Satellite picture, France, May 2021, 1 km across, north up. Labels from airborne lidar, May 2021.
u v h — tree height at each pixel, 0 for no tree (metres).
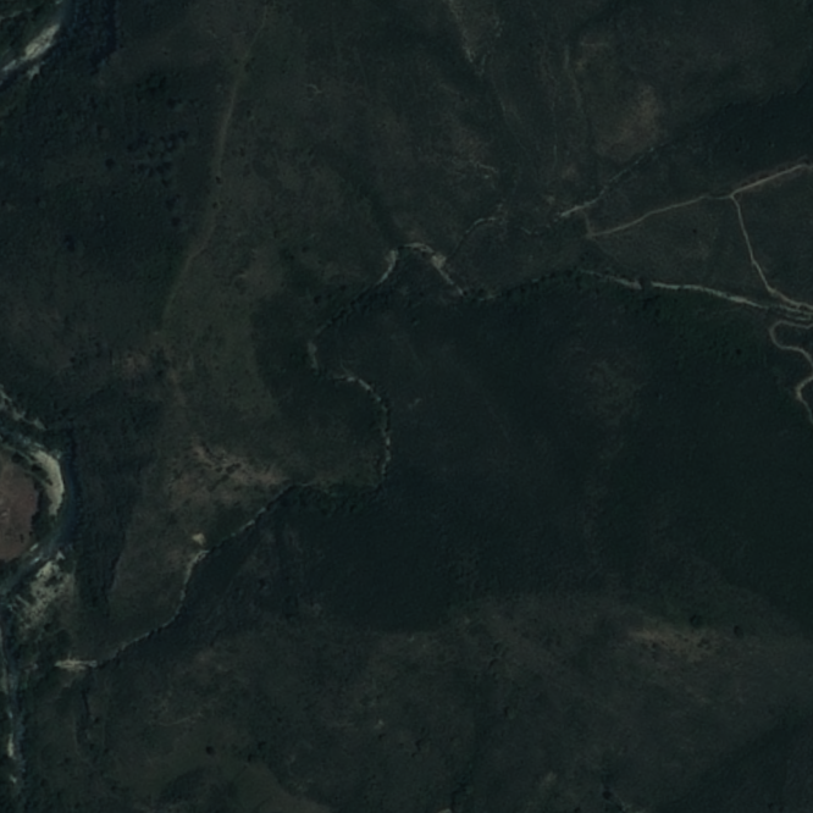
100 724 10
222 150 0
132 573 0
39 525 21
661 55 0
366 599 6
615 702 0
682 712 0
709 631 0
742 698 0
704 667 0
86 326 0
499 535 6
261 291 0
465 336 5
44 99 6
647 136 0
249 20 0
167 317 0
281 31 0
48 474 17
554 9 0
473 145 0
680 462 6
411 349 0
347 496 10
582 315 6
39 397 6
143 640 7
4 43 15
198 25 0
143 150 22
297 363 6
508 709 10
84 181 6
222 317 0
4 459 0
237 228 0
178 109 16
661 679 0
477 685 5
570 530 0
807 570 6
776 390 7
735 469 6
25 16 8
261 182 0
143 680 0
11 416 25
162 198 5
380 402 7
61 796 10
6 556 0
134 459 6
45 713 0
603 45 0
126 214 6
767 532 5
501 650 10
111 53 17
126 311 0
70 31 19
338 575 6
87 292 0
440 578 6
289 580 10
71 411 9
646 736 0
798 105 5
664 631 0
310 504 30
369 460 7
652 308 14
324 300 25
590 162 0
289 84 0
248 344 0
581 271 7
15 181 7
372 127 0
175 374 0
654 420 6
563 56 0
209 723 0
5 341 6
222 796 5
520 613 0
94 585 7
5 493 0
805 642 0
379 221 6
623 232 0
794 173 0
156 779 0
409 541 6
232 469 10
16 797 19
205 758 0
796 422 6
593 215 0
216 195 0
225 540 9
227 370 0
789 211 0
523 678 0
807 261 0
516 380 6
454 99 0
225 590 5
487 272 0
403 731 0
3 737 20
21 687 7
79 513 6
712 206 0
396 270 6
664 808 6
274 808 0
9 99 26
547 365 6
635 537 7
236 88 0
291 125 0
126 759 0
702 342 6
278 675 0
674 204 0
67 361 0
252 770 0
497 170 0
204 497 0
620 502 6
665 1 0
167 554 0
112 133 6
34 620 0
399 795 0
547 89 0
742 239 0
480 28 0
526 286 14
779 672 0
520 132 0
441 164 0
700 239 0
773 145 7
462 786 7
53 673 14
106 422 6
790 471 6
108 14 10
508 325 7
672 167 0
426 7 0
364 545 5
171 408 0
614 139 0
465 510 7
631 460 6
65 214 7
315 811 0
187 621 6
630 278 8
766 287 0
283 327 5
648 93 0
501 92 0
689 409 5
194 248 0
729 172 0
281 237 14
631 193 0
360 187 6
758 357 7
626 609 0
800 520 6
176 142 19
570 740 0
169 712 0
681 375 8
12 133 7
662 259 0
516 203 0
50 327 0
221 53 0
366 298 12
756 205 0
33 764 10
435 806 5
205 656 0
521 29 0
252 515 7
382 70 0
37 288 0
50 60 13
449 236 0
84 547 7
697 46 0
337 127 0
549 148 0
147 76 6
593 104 0
